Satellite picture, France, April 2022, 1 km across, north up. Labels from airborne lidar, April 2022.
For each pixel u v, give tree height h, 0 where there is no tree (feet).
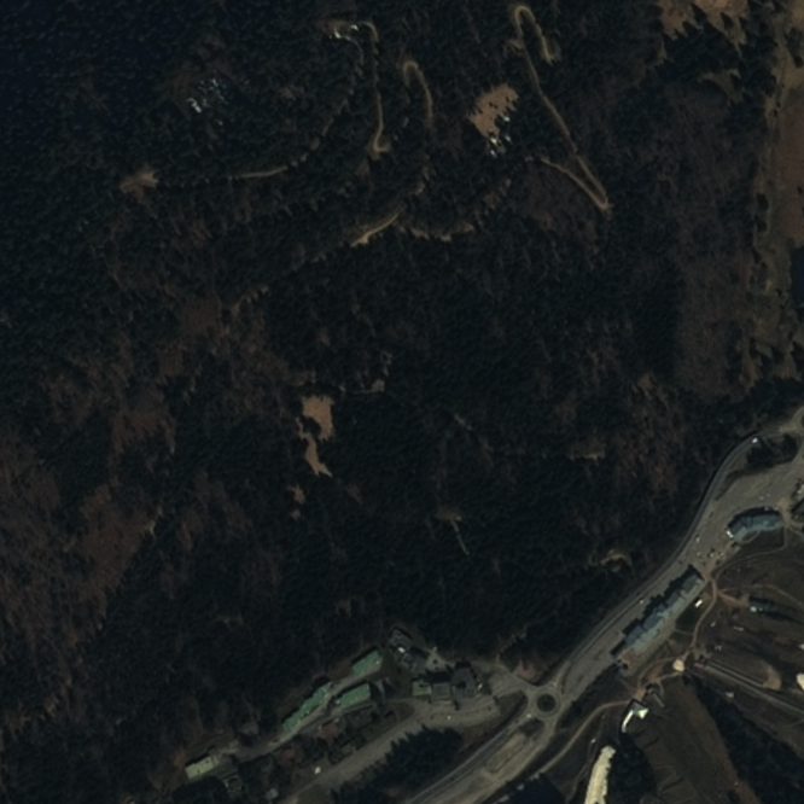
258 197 57
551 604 85
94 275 73
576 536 63
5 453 36
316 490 52
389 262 60
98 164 51
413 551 78
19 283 51
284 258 44
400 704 0
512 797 0
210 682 77
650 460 86
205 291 28
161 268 37
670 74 54
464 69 66
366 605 73
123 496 41
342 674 0
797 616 0
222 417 74
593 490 89
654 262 56
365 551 83
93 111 34
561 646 89
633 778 34
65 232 46
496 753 0
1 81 82
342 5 70
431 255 95
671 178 54
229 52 25
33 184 86
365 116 21
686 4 0
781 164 0
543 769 0
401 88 24
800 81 0
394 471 58
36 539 71
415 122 90
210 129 30
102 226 85
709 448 67
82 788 74
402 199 46
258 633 69
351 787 59
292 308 87
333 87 55
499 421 77
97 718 94
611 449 77
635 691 0
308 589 65
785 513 0
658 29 66
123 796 70
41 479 40
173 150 24
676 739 0
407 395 72
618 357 71
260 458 83
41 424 26
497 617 72
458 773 0
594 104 66
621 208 96
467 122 26
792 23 0
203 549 81
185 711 73
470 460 84
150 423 57
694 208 71
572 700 0
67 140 98
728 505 0
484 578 62
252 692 68
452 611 51
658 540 92
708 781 0
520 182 70
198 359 68
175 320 86
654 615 0
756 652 0
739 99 0
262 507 47
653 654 0
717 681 0
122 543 58
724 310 59
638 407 63
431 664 0
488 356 71
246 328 80
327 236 91
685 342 79
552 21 60
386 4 88
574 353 85
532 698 0
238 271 87
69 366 98
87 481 55
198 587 58
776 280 0
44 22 49
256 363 61
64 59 64
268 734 55
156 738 96
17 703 87
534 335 74
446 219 80
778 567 0
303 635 94
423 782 44
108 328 91
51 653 90
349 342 71
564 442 76
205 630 77
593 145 73
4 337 83
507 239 66
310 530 79
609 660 0
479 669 0
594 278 97
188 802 47
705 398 71
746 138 85
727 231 93
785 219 0
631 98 74
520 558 65
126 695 80
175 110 33
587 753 0
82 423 39
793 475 0
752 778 81
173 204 104
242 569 93
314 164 65
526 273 72
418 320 97
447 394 72
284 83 50
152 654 94
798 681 0
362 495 47
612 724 0
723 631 0
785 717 0
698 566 0
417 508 75
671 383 63
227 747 0
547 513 97
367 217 60
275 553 59
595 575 73
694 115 79
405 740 0
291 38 72
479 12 69
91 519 31
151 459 53
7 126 72
